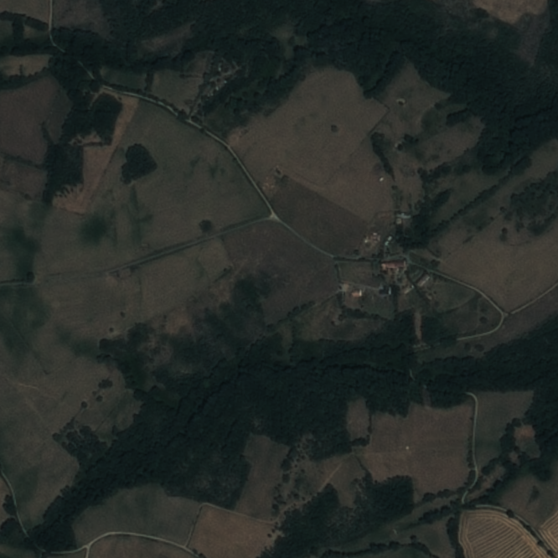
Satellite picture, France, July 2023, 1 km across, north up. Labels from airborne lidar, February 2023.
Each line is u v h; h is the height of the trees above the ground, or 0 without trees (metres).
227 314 0
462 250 0
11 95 0
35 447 0
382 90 7
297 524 10
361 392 14
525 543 0
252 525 0
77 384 0
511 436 11
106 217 0
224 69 9
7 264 0
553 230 0
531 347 9
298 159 0
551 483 0
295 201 0
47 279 0
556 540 0
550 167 0
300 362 15
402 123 0
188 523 0
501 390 6
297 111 0
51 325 0
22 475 0
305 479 0
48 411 0
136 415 10
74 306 0
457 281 0
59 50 9
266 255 0
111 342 9
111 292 0
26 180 0
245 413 10
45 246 0
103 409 0
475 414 0
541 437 17
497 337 0
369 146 0
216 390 11
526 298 0
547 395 12
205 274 0
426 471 0
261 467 0
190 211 0
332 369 22
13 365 0
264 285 0
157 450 22
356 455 0
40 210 0
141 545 0
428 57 21
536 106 14
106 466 18
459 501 8
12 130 0
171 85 0
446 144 0
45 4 0
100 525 0
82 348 0
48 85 0
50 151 9
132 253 0
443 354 0
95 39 19
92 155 0
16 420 0
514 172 11
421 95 0
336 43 18
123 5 13
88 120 7
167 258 0
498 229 0
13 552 0
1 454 0
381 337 13
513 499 0
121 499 0
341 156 0
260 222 0
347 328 0
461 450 0
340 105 0
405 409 10
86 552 0
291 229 0
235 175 0
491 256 0
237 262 0
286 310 0
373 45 16
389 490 8
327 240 0
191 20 8
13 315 0
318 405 12
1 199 0
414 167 0
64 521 21
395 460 0
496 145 17
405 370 7
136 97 0
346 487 0
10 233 0
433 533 0
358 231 0
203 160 0
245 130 0
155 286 0
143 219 0
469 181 0
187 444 8
